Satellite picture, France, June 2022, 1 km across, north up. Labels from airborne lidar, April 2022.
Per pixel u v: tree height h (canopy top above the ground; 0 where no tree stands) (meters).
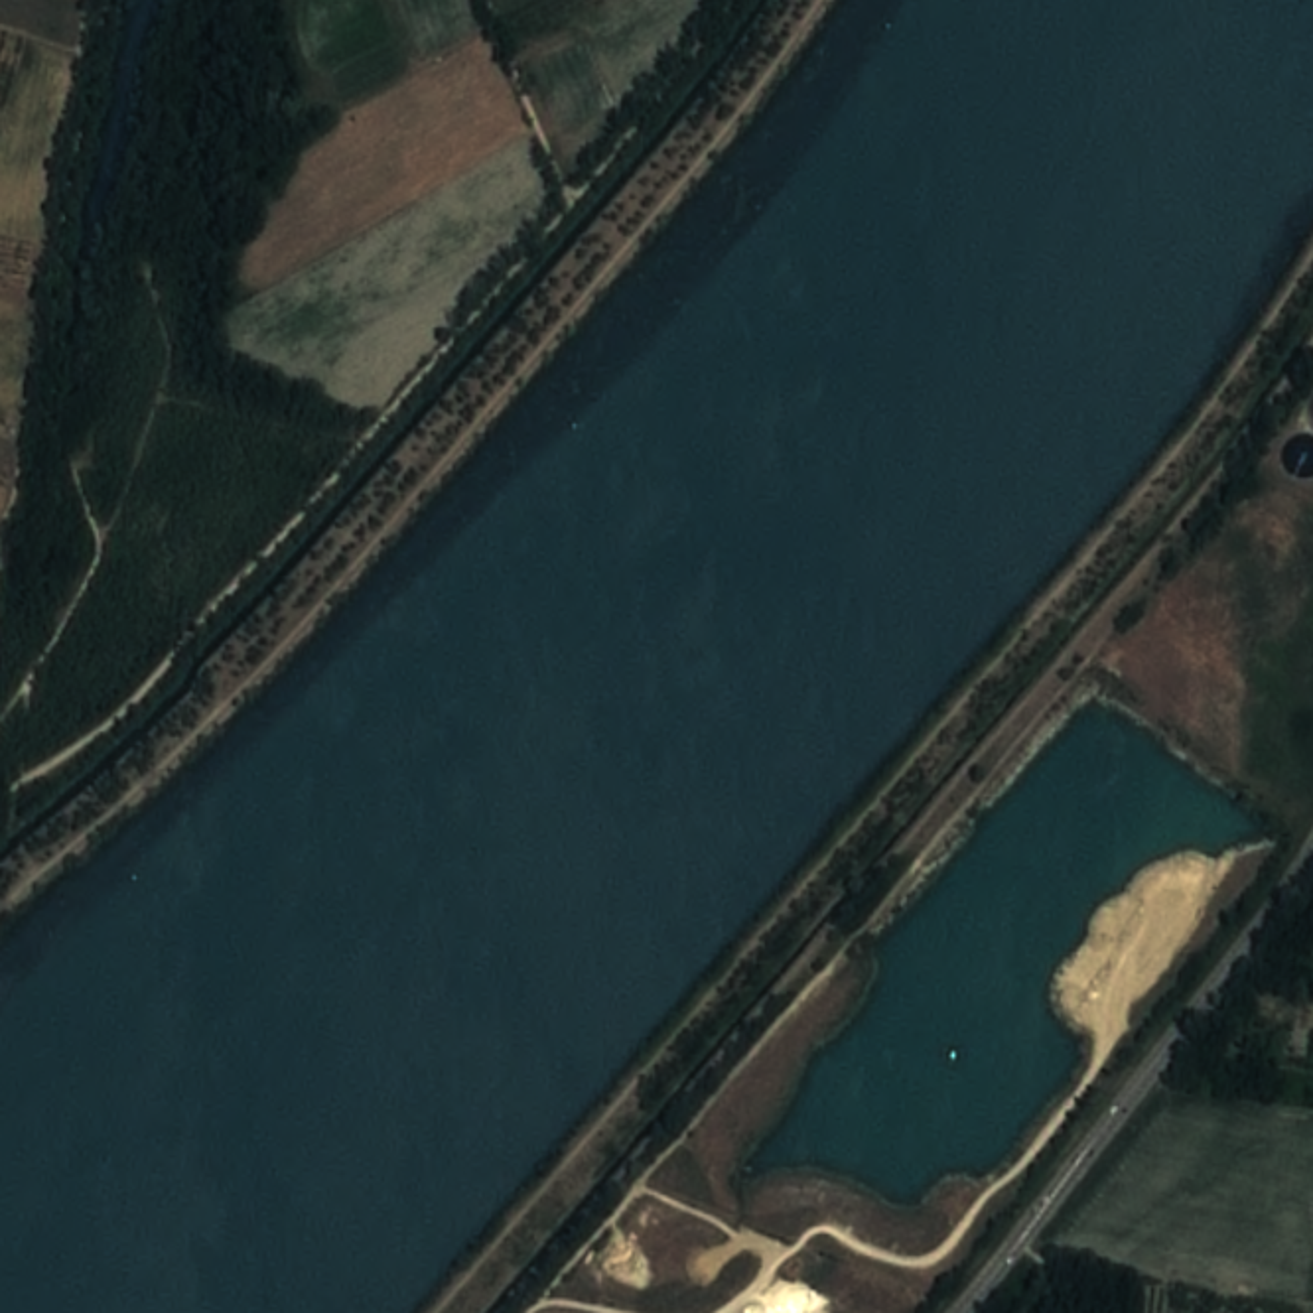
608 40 0
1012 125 0
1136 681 0
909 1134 0
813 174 0
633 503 0
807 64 0
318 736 0
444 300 0
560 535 0
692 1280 0
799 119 0
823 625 0
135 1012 0
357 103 0
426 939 0
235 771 0
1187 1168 0
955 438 0
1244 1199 0
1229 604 0
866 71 0
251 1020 0
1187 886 0
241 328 0
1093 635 0
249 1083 0
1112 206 0
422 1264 0
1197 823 0
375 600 0
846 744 0
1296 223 0
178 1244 0
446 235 0
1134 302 0
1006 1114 0
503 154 0
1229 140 0
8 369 0
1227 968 0
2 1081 0
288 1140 0
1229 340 0
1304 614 0
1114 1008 0
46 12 0
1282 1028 6
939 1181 0
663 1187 0
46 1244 0
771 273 0
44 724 7
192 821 0
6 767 12
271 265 0
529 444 0
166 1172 0
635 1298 0
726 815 0
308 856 0
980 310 0
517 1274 0
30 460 15
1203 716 0
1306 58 0
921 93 0
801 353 0
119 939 0
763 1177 0
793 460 0
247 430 9
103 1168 0
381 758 0
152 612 8
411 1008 0
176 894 0
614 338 0
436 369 8
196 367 21
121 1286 0
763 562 0
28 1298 0
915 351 0
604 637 0
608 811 0
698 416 0
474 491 0
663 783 0
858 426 0
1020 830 0
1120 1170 0
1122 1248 0
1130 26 0
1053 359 0
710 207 0
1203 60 0
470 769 0
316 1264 0
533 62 0
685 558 0
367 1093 0
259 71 39
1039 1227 0
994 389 0
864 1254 0
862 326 0
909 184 0
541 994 0
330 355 0
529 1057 0
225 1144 0
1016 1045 0
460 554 0
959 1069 0
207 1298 0
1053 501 0
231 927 0
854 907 14
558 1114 0
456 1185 0
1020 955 0
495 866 0
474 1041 0
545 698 0
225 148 34
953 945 0
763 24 8
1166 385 0
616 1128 0
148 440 5
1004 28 0
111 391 9
